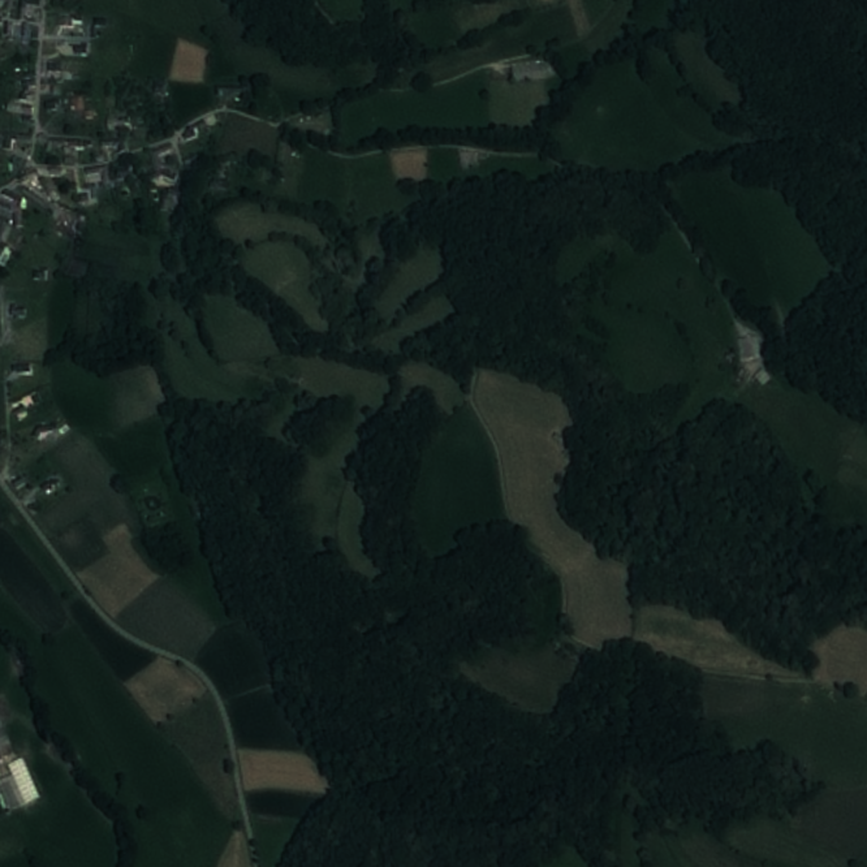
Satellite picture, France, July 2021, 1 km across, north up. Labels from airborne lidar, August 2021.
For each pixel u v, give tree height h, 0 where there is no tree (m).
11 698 0
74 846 0
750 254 0
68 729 0
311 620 23
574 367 24
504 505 0
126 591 0
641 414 24
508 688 0
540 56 9
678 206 21
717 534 20
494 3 17
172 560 18
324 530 0
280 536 20
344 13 0
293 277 0
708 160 24
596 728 25
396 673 21
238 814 0
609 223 15
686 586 23
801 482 30
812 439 0
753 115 23
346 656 22
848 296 24
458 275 23
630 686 16
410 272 0
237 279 18
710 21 18
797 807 9
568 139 0
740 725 0
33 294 0
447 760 28
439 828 20
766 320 23
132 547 0
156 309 0
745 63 28
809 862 0
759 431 25
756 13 20
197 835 0
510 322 22
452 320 12
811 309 18
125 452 0
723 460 20
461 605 17
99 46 0
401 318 7
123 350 21
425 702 25
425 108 0
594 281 6
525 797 25
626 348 0
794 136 25
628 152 0
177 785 0
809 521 11
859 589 26
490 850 22
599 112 0
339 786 12
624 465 22
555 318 24
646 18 0
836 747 0
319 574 24
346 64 21
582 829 16
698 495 24
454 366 17
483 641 15
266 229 0
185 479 23
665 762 19
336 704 19
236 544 25
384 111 0
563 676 0
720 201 0
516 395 0
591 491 28
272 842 0
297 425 17
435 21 0
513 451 0
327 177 0
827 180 20
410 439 21
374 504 18
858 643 0
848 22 23
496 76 0
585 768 31
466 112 0
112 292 9
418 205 13
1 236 0
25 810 0
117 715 0
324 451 0
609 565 0
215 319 0
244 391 0
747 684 0
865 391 27
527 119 0
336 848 19
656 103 0
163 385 9
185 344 8
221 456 16
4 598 0
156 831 0
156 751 0
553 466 0
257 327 0
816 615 20
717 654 0
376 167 0
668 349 0
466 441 0
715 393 0
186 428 7
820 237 19
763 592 24
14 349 0
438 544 0
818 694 0
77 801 0
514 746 23
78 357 17
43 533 0
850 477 0
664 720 25
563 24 0
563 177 21
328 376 0
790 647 24
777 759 22
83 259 9
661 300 0
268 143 0
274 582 21
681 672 16
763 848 0
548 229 23
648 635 0
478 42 20
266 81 15
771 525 27
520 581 25
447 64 0
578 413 15
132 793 0
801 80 28
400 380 12
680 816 6
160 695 0
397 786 28
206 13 0
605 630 0
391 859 22
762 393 0
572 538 0
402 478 23
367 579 17
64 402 0
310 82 0
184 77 0
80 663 0
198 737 0
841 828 0
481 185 24
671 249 0
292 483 15
